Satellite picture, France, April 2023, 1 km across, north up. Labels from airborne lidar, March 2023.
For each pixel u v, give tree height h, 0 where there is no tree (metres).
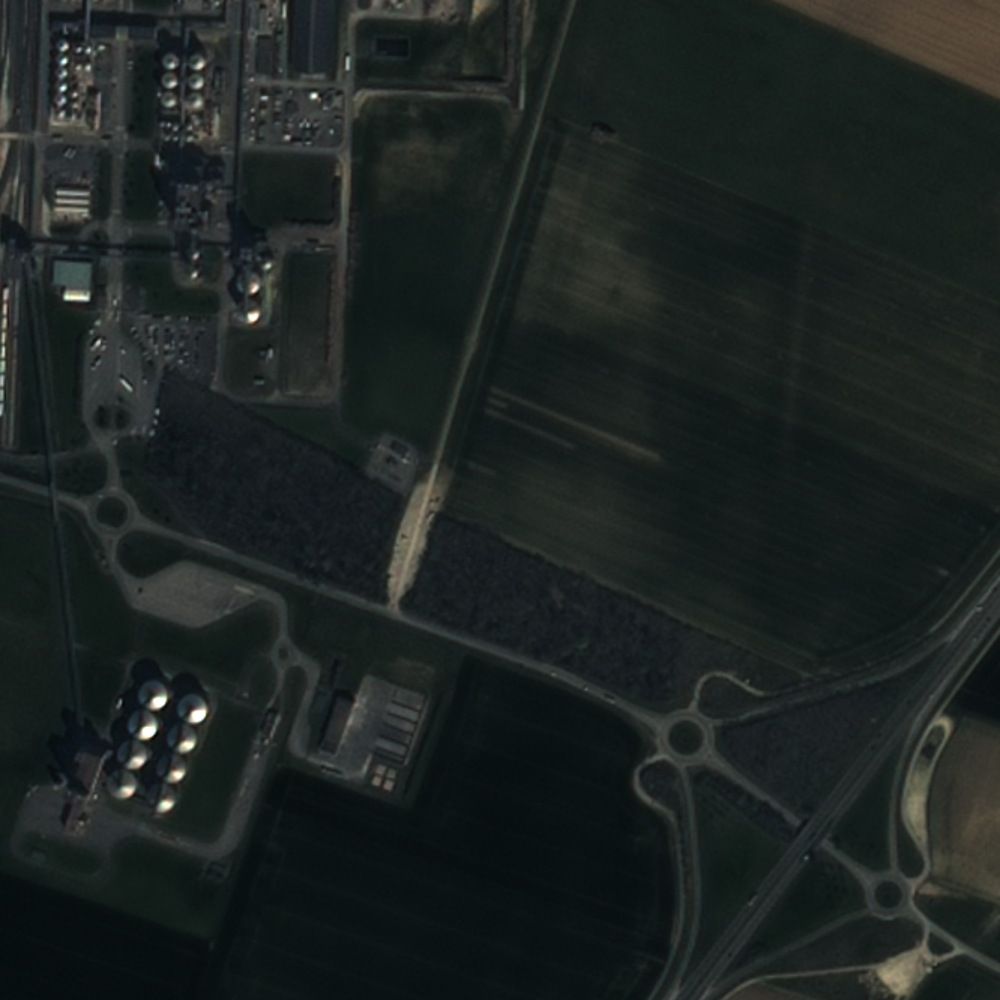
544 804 0
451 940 0
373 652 0
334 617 0
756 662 0
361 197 0
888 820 0
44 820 0
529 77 0
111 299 0
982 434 0
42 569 0
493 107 0
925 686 0
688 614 0
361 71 0
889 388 0
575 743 0
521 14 0
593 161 0
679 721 0
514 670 0
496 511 0
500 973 0
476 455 0
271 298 0
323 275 0
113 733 0
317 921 0
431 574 14
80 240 0
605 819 0
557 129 0
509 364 0
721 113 0
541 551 0
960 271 0
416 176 0
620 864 0
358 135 0
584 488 0
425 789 0
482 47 0
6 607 0
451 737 0
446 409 0
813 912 0
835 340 0
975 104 0
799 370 0
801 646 0
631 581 0
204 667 0
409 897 0
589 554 0
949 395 0
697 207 0
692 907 0
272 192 0
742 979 0
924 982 0
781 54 0
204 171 0
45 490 0
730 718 0
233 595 0
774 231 0
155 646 0
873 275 0
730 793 8
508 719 0
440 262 0
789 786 7
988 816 0
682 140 0
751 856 0
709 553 0
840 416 0
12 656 0
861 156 0
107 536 0
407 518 0
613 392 0
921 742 0
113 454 0
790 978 0
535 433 0
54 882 0
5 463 0
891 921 0
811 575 0
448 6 0
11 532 0
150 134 0
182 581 0
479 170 0
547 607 12
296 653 0
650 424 0
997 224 0
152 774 0
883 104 0
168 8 0
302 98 0
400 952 0
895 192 0
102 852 0
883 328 0
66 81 0
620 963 0
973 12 0
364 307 0
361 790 0
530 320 0
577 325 0
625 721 0
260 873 0
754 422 0
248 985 0
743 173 0
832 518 0
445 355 0
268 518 14
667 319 0
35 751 0
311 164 0
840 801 0
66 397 0
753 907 0
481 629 12
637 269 0
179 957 0
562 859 0
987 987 0
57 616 0
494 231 0
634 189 0
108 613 0
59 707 0
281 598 0
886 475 0
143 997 0
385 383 0
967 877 0
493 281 0
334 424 0
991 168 0
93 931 0
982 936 0
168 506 0
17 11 0
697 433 0
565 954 0
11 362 0
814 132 0
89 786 0
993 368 0
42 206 0
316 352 0
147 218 0
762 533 0
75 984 0
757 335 0
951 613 0
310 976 0
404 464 0
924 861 0
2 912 0
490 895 0
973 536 0
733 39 0
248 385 0
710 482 0
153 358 0
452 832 0
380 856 0
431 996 0
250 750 0
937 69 0
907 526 0
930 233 0
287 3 0
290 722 0
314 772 0
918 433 0
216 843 0
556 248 0
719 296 0
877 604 0
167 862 0
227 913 0
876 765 0
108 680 0
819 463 0
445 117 0
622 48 0
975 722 0
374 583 11
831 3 0
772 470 0
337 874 0
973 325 0
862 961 0
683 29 0
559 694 0
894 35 0
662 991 0
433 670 0
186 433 7
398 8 0
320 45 0
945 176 0
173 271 0
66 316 0
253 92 0
